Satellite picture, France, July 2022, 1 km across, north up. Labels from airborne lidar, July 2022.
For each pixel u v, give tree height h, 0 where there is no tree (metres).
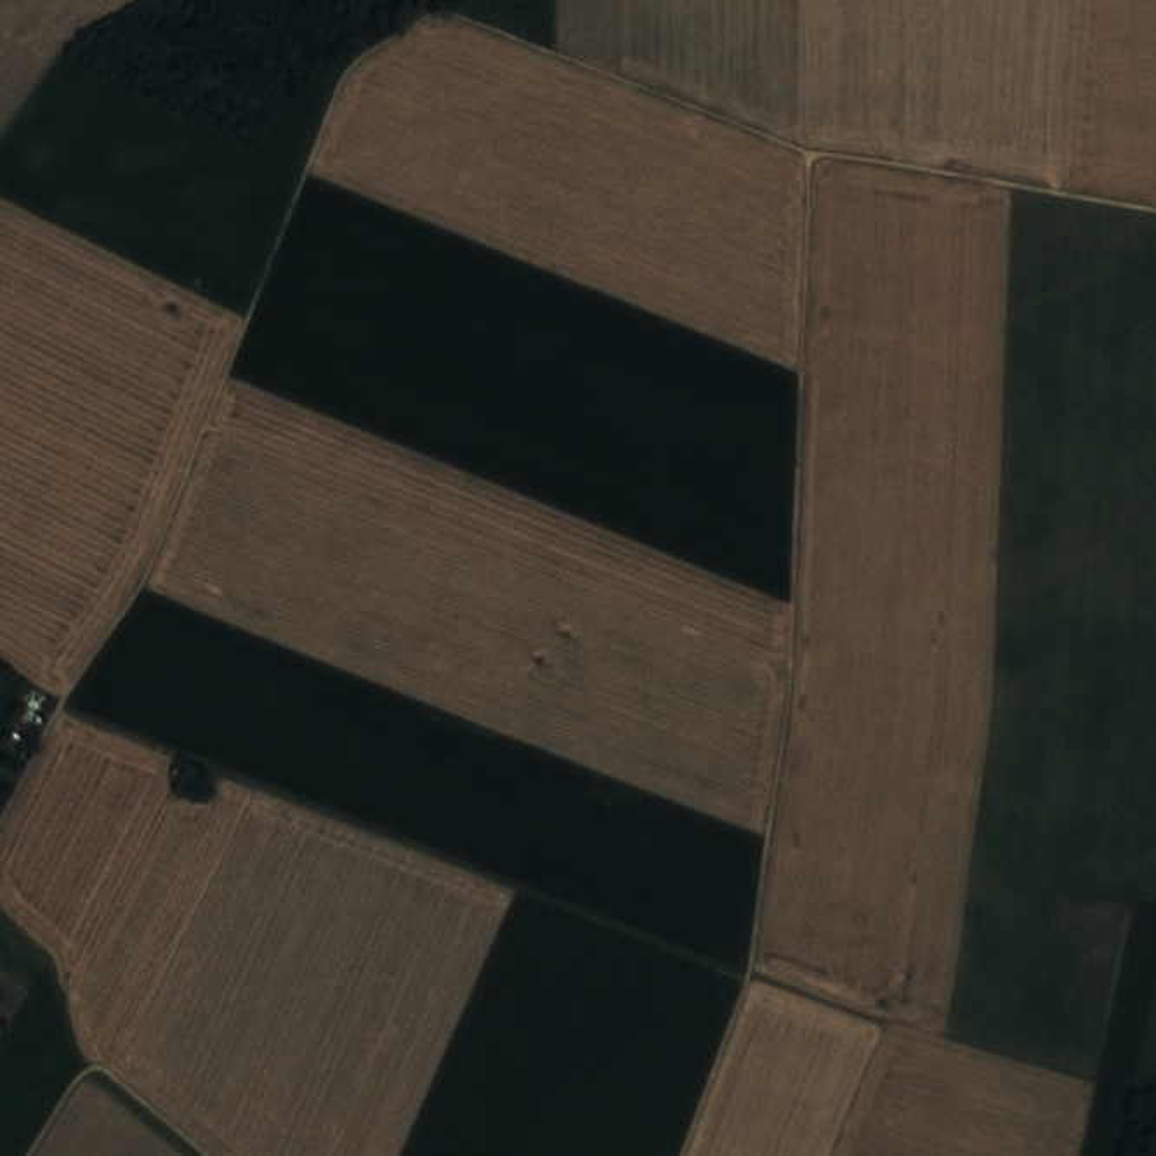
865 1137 0
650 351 0
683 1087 0
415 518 0
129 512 0
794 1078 0
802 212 0
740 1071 0
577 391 0
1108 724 0
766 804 0
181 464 0
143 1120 0
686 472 0
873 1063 0
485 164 0
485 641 0
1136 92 0
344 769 0
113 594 0
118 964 0
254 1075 0
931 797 0
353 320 0
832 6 0
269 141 0
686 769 0
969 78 0
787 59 0
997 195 0
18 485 0
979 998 0
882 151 0
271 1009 0
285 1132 0
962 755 0
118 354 0
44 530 0
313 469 0
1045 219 0
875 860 0
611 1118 0
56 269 0
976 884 0
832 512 0
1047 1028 0
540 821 0
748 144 0
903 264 0
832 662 0
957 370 0
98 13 0
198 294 0
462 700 0
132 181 0
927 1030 0
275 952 0
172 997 0
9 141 0
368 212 0
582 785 0
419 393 0
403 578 0
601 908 0
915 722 0
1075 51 0
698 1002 0
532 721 0
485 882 0
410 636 0
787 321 0
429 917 0
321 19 18
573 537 0
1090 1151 0
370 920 0
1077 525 0
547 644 0
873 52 0
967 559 0
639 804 0
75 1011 0
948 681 0
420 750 0
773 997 0
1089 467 0
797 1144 0
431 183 0
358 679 0
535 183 0
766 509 0
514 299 0
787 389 0
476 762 0
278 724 0
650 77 0
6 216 0
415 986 0
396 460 0
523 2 8
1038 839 0
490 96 0
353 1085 0
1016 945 0
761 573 0
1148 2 0
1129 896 0
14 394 0
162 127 0
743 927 0
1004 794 0
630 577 0
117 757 0
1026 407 0
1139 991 0
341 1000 0
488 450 0
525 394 0
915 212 0
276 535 0
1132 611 0
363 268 0
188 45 15
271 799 0
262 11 14
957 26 0
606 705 0
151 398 0
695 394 0
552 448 0
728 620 0
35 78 0
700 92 0
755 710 0
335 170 0
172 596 0
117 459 0
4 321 0
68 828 0
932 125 0
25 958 0
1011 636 0
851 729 0
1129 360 0
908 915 0
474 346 0
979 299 0
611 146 0
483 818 0
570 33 0
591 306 0
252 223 0
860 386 0
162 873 0
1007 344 0
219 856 0
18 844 0
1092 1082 0
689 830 0
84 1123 0
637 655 0
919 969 0
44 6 0
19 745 6
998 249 0
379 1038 0
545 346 0
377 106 0
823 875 0
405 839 0
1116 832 0
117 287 0
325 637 0
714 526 0
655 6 0
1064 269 0
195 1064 0
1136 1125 17
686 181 0
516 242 0
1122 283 0
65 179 0
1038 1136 0
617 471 0
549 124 0
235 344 0
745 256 0
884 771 0
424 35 0
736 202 0
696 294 0
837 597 0
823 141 0
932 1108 0
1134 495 0
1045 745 0
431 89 0
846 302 0
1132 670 0
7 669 29
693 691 0
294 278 0
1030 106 0
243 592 0
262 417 0
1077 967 0
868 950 0
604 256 0
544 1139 0
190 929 0
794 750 0
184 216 0
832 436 0
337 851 0
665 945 0
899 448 0
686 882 0
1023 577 0
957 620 0
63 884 0
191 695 0
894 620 0
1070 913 0
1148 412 0
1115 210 0
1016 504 0
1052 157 0
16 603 0
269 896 0
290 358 0
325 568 0
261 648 0
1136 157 0
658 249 0
